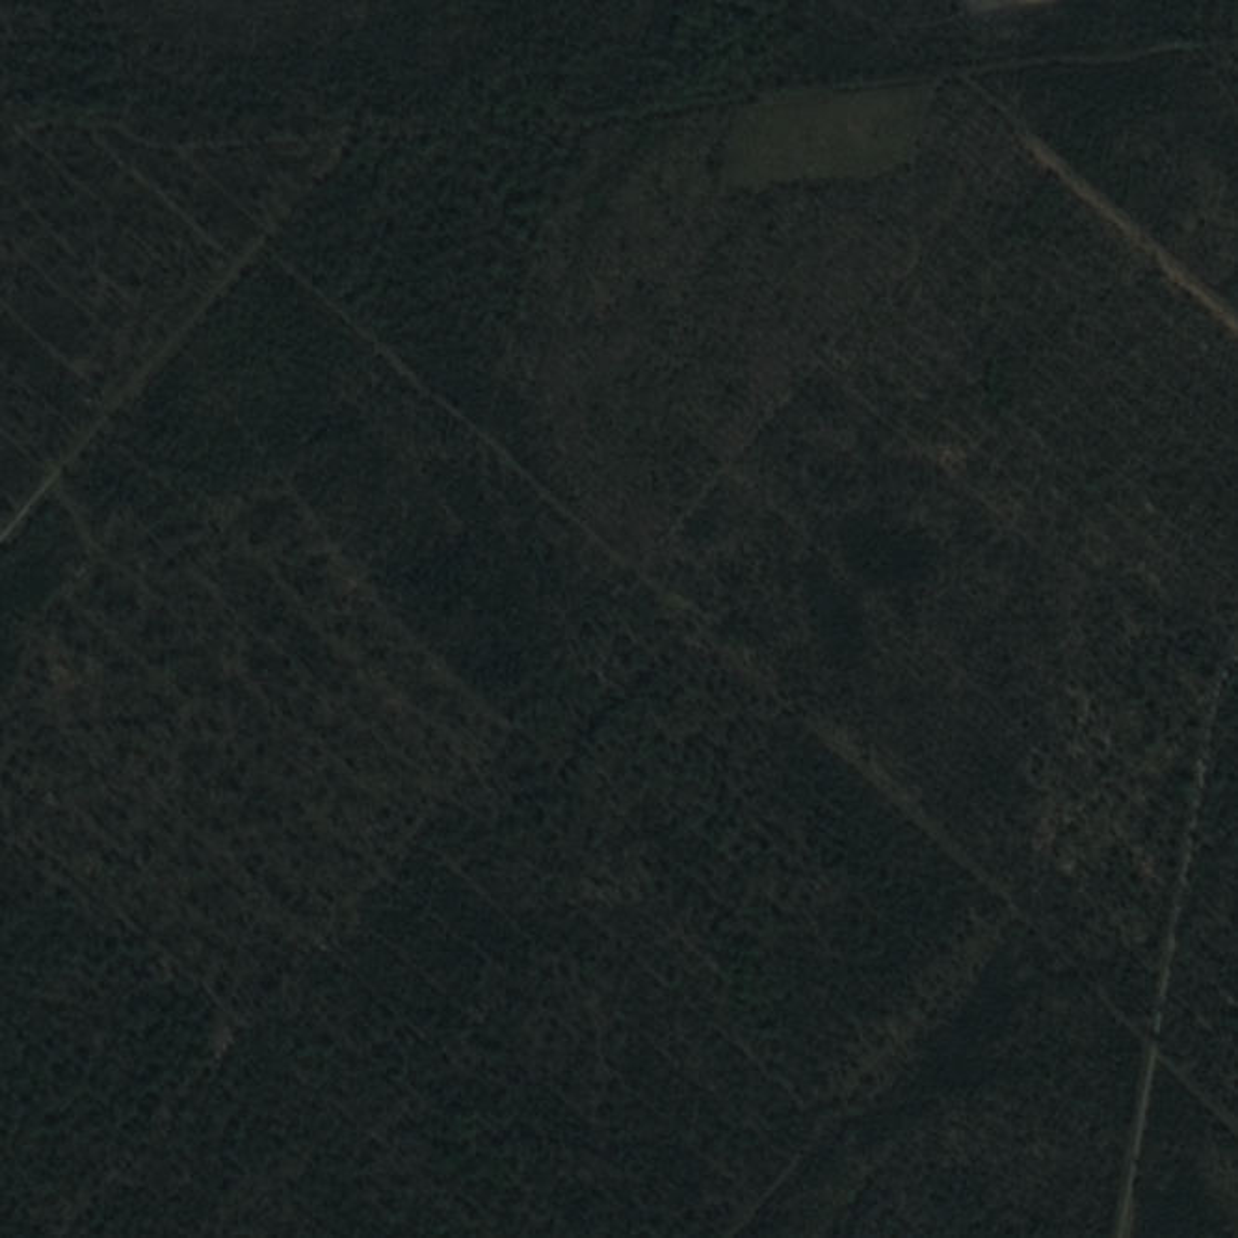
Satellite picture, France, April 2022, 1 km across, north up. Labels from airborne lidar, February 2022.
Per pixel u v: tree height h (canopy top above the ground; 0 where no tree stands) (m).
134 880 13
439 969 8
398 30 9
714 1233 12
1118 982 11
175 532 11
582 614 7
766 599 6
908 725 7
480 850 11
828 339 8
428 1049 12
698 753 19
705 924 17
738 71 9
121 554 0
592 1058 15
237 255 12
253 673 0
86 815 0
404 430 12
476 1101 13
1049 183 11
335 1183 10
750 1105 15
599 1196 14
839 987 10
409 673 9
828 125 0
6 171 16
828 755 10
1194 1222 7
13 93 14
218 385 7
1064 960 12
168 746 18
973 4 0
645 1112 14
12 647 9
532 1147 16
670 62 15
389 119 10
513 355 8
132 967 14
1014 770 6
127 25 7
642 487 6
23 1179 16
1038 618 7
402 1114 16
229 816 15
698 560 7
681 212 8
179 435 9
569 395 8
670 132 9
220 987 0
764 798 15
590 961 15
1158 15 9
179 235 16
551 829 17
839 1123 9
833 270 9
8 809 0
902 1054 12
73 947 15
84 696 0
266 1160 15
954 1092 8
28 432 16
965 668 8
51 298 14
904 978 8
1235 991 13
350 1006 17
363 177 11
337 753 14
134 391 0
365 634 9
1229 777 14
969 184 8
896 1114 7
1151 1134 7
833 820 9
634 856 18
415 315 6
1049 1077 11
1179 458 8
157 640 14
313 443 7
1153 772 0
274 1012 16
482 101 15
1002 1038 7
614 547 9
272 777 0
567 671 9
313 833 14
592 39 13
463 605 12
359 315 18
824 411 11
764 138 0
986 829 8
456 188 8
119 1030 14
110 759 14
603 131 9
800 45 11
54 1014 14
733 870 19
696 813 14
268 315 9
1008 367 10
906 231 10
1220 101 6
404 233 12
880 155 0
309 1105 17
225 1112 15
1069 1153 12
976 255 7
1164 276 11
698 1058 12
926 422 11
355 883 12
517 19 10
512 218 13
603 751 17
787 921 15
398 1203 12
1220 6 11
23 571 6
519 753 14
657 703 18
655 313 7
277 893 13
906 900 9
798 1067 14
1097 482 12
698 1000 11
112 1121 17
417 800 9
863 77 9
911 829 8
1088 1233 10
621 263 7
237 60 9
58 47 12
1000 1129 9
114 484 11
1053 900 9
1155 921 15
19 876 8
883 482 9
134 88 12
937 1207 13
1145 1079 0
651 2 14
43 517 10
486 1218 15
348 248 8
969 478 9
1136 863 16
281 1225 18
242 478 10
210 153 13
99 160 16
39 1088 18
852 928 8
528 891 13
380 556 9
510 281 9
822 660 6
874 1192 15
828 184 6
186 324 0
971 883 10
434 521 8
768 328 9
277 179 17
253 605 15
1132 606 7
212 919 11
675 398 7
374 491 7
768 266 9
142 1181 14
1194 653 12
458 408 11
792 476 7
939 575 8
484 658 10
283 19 0
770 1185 13
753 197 7
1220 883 15
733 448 9
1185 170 6
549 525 7
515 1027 15
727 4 10
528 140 12
